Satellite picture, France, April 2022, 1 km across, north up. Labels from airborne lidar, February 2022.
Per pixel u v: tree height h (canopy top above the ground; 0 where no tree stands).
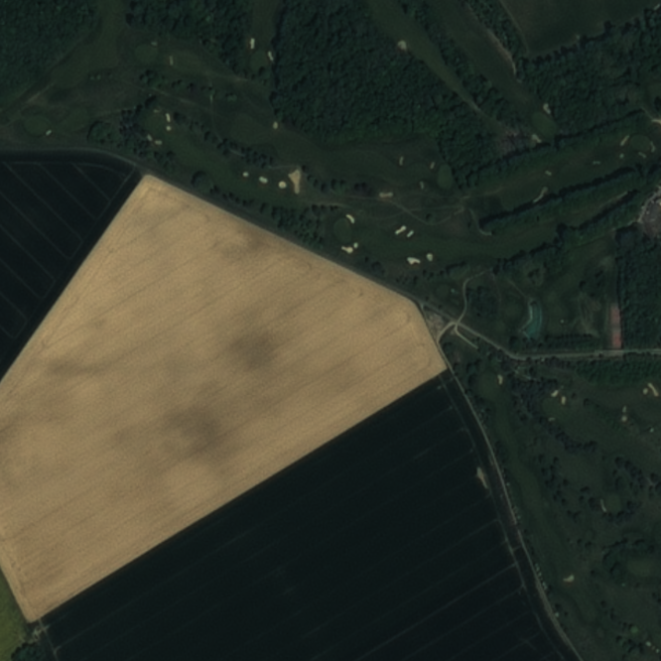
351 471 0
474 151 19
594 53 29
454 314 0
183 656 0
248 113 0
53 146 0
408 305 0
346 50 25
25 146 0
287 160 0
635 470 8
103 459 0
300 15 21
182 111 0
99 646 0
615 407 0
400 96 24
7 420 0
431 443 0
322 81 21
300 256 0
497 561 0
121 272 0
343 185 11
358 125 20
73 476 0
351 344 0
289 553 0
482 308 14
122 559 0
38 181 0
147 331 0
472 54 0
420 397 0
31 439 0
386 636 0
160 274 0
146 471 0
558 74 27
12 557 0
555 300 0
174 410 0
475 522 0
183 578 0
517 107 0
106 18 0
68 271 0
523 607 0
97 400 0
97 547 0
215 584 0
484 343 8
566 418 0
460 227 0
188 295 0
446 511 0
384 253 0
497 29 13
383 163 0
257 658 0
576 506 0
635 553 11
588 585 0
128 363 0
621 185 25
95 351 0
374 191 0
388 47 22
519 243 0
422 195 0
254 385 0
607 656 0
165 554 0
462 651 0
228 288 0
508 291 0
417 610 0
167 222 0
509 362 7
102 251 0
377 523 0
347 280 0
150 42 0
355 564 0
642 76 23
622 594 0
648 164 0
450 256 0
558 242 11
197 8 21
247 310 0
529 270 30
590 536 0
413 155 0
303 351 0
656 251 16
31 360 0
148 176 0
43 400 0
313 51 22
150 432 0
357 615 0
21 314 0
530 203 0
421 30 0
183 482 0
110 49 0
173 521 0
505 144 12
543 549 0
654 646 0
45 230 0
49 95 0
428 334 0
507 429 0
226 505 0
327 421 0
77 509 0
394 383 0
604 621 0
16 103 0
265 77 16
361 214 0
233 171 0
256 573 0
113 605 0
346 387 0
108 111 0
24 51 19
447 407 0
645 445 0
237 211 0
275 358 0
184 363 0
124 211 0
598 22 0
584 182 0
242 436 0
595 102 28
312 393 0
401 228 0
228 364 0
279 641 0
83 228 0
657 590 0
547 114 0
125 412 0
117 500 0
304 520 0
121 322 0
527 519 0
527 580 0
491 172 25
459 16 0
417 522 0
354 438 0
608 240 0
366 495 0
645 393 0
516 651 0
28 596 0
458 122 20
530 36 0
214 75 0
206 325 0
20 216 0
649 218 0
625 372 11
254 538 0
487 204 0
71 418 0
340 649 0
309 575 0
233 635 0
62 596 0
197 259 0
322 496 0
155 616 0
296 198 0
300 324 0
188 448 0
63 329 0
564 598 0
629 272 15
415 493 0
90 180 0
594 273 0
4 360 0
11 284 0
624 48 30
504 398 0
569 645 0
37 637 0
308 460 0
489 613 0
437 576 0
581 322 0
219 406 0
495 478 0
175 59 0
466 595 0
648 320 21
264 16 0
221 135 0
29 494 0
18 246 0
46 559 0
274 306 0
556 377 0
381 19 0
